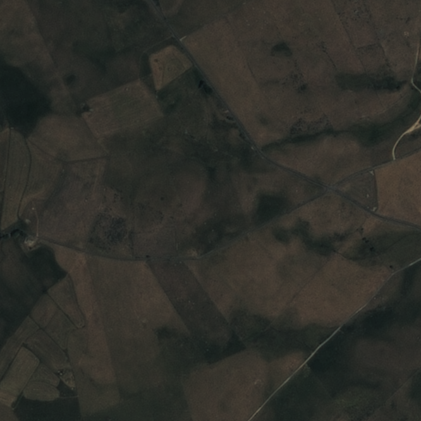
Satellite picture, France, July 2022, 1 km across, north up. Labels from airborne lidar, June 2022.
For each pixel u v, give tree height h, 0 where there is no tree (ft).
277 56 0
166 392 0
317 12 0
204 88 29
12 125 0
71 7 0
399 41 0
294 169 0
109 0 0
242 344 0
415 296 0
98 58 0
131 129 0
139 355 0
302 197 0
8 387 0
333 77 0
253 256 0
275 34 0
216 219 0
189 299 0
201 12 0
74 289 0
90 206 0
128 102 0
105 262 0
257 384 0
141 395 0
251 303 0
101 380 0
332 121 0
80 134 0
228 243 0
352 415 0
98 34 0
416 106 0
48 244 0
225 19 0
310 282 0
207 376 0
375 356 0
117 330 0
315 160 0
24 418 0
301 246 0
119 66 0
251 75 0
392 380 0
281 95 0
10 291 0
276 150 0
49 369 0
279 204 0
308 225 0
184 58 0
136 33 0
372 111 0
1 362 0
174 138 0
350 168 0
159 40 0
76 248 0
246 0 0
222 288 0
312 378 0
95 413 0
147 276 0
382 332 0
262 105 0
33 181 0
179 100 0
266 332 0
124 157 0
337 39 0
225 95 0
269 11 0
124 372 0
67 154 0
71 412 0
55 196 0
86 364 0
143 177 0
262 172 0
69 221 0
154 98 0
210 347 0
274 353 0
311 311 0
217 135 0
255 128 0
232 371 0
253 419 0
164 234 0
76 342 0
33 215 0
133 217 0
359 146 0
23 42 0
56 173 0
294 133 0
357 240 0
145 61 0
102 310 0
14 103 0
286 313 0
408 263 0
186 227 0
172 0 0
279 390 0
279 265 0
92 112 0
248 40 0
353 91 0
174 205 0
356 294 0
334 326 0
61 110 0
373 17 0
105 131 0
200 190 0
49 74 0
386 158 0
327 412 0
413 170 0
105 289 0
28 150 0
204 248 0
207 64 0
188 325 0
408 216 0
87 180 0
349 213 0
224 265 0
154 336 0
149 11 0
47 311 0
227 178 0
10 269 0
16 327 0
